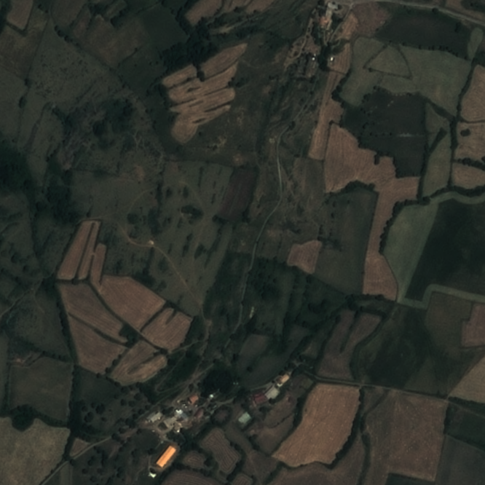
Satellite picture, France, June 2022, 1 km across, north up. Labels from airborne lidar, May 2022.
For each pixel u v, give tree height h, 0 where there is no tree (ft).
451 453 0
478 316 0
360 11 0
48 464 0
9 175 29
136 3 0
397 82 0
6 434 0
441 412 0
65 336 25
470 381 0
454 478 0
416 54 0
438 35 0
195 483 0
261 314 0
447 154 0
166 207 0
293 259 0
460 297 0
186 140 0
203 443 0
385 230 26
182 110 0
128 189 0
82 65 0
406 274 0
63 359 28
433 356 0
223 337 0
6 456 0
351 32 0
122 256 0
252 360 0
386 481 0
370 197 0
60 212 21
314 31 28
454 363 0
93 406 40
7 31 0
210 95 0
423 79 0
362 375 0
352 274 0
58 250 0
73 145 0
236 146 0
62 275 0
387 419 0
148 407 35
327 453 0
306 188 0
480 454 0
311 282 40
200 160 0
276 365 0
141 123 0
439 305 0
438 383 0
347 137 0
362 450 0
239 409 0
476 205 0
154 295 0
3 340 0
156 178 0
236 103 0
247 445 0
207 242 0
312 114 0
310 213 0
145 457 0
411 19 0
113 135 0
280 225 0
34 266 0
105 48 0
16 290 0
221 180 0
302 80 29
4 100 0
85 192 0
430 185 0
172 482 0
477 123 0
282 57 0
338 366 0
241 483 0
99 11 38
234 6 0
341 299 0
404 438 0
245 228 0
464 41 0
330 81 0
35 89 0
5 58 0
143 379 0
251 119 0
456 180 0
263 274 30
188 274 0
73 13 0
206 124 0
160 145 0
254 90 0
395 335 0
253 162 0
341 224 0
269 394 0
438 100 0
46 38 0
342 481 0
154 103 0
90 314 0
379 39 0
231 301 0
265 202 0
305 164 0
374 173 0
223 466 0
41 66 0
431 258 0
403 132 0
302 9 0
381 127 0
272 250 0
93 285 0
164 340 0
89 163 0
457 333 0
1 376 0
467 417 0
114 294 0
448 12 0
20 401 0
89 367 0
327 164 0
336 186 0
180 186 0
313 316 0
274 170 0
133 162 0
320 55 25
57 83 0
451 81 0
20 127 0
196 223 0
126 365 0
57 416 0
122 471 51
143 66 0
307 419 0
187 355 31
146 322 0
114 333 0
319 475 0
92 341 0
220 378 31
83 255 0
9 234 0
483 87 0
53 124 0
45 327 0
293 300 24
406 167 0
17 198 0
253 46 0
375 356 0
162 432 0
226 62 0
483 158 27
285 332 27
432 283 0
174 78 0
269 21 0
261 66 0
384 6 0
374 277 0
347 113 0
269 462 0
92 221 0
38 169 0
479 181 0
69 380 0
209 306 0
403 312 0
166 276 0
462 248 0
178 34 0
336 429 0
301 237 0
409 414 0
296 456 0
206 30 44
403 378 0
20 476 0
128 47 0
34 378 0
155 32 0
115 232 0
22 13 0
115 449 0
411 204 42
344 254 0
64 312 22
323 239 19
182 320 0
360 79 0
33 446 0
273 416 0
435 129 0
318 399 0
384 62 0
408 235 0
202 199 0
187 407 0
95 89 0
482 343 0
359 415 24
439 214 0
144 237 0
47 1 0
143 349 0
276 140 0
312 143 0
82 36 0
